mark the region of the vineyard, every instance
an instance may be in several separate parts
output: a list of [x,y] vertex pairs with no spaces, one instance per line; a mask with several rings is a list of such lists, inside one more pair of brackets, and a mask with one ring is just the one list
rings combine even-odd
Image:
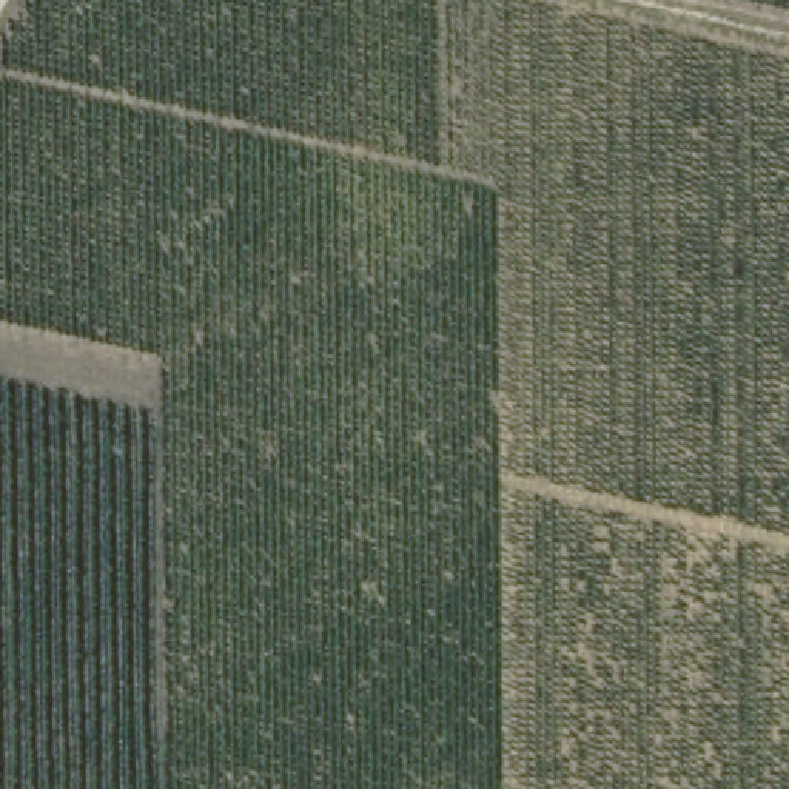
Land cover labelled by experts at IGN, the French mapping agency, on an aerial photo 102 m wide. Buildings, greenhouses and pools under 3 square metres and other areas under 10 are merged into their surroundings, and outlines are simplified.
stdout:
[[157,354],[160,361],[160,404],[151,410],[0,376],[0,789],[789,789],[789,0],[0,0],[0,321],[55,330],[89,342],[126,345],[136,351]]

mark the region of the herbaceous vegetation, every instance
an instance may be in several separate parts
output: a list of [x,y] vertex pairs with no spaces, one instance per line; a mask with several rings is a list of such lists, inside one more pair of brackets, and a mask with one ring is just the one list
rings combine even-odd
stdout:
[[0,321],[0,376],[151,410],[160,404],[160,361],[157,354],[136,351],[126,345],[89,342],[55,330]]

